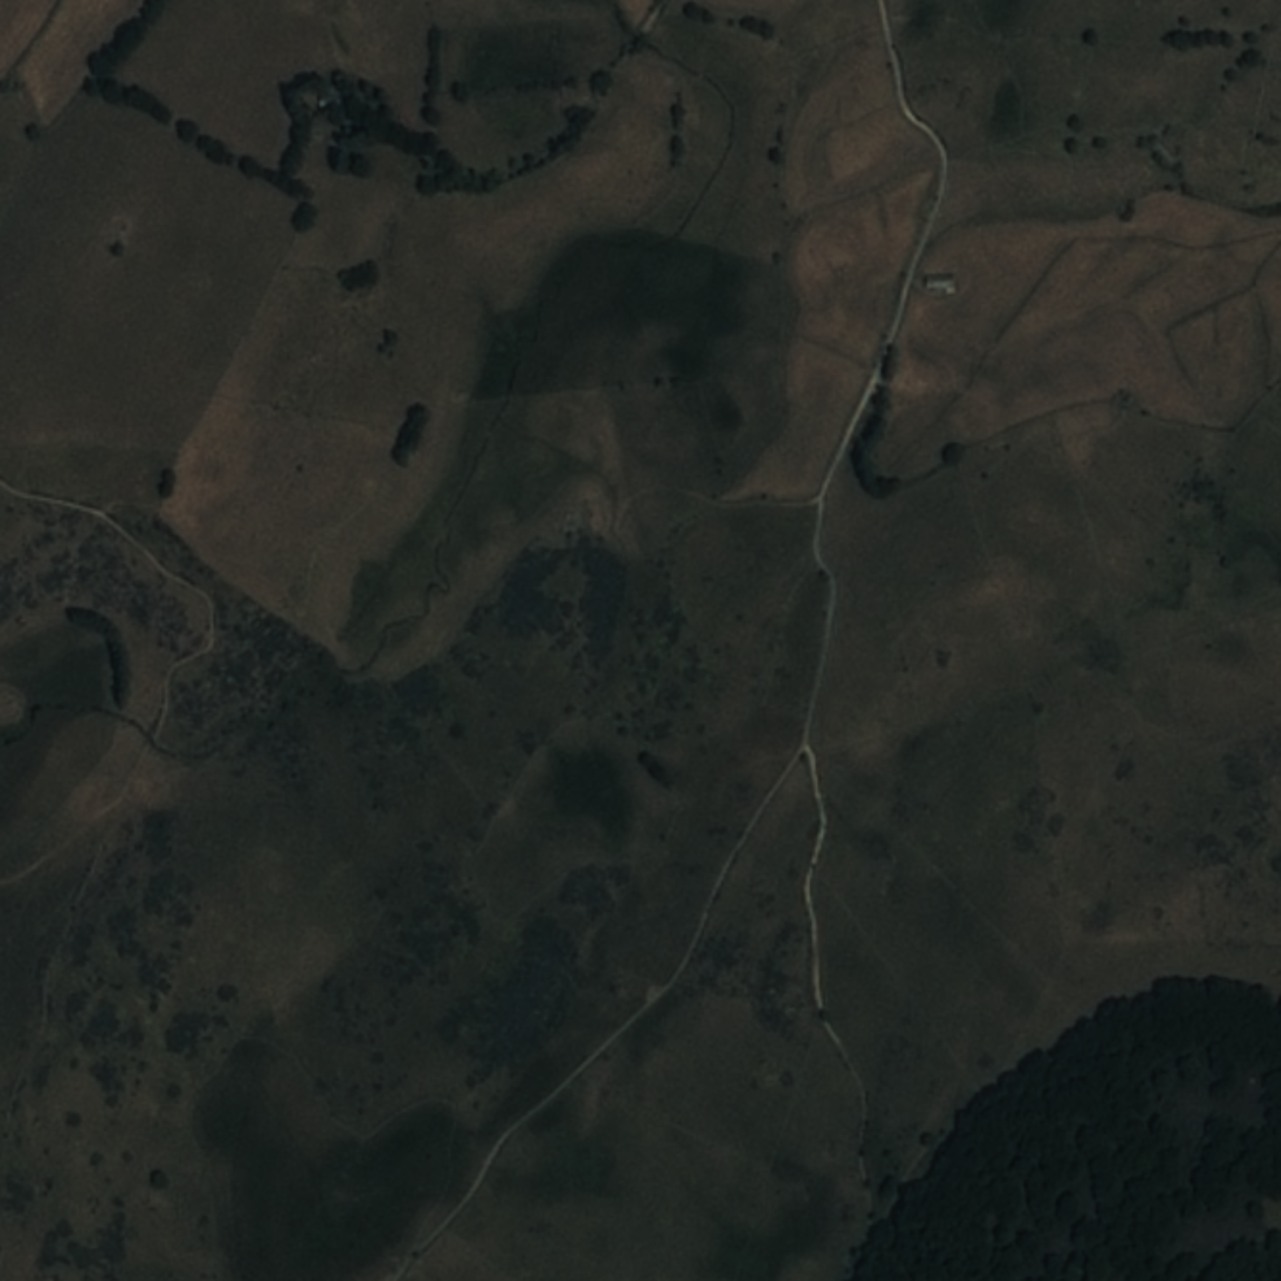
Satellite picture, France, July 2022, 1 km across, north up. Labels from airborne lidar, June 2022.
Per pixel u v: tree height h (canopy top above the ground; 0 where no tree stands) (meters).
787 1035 0
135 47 12
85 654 0
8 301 0
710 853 0
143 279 0
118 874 0
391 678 0
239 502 0
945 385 0
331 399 0
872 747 0
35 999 0
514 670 0
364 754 0
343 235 0
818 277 0
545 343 0
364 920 0
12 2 0
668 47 0
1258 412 0
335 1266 0
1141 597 0
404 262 0
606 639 0
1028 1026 0
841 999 0
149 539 0
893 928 0
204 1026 0
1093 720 0
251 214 0
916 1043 0
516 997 0
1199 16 0
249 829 0
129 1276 0
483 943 0
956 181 0
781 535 0
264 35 0
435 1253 0
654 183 0
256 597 0
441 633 0
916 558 0
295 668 0
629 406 0
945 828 0
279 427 0
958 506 0
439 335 0
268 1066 0
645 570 0
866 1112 0
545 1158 0
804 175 0
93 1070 0
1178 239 0
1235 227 0
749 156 0
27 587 0
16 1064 0
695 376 0
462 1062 0
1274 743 0
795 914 0
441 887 0
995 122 0
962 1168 16
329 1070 0
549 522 0
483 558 0
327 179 0
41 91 0
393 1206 0
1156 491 0
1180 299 0
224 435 0
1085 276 0
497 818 0
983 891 0
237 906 0
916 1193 16
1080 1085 16
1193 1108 0
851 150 0
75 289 0
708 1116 0
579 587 0
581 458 0
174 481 9
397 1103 0
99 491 0
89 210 0
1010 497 0
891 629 0
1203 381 0
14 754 0
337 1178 0
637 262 0
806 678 0
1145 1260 10
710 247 0
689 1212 0
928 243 0
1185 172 6
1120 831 0
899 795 0
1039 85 0
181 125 11
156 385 0
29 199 0
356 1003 0
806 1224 0
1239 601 0
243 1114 0
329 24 0
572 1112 0
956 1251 11
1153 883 0
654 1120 0
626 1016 0
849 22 0
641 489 0
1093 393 0
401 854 0
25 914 0
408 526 0
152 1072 0
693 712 0
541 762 0
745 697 0
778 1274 0
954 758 0
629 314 0
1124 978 0
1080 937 0
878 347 0
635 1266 0
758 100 0
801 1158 0
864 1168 0
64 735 0
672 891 0
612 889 0
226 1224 0
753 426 0
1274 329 0
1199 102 0
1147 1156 17
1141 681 0
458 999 0
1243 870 0
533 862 0
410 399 0
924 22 0
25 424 0
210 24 0
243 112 0
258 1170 0
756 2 0
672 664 0
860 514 0
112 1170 0
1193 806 0
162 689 0
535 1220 0
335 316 0
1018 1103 13
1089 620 0
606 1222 0
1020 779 0
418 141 15
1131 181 0
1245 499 0
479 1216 0
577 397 0
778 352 0
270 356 0
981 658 0
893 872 0
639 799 0
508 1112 0
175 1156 0
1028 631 0
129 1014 0
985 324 0
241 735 0
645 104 0
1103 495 0
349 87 16
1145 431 0
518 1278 0
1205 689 0
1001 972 0
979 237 0
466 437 0
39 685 0
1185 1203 13
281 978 0
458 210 0
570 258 0
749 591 0
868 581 0
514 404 0
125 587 0
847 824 0
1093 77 0
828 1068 0
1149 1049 17
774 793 0
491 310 0
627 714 0
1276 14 0
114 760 0
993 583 0
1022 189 0
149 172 0
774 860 0
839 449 0
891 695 0
